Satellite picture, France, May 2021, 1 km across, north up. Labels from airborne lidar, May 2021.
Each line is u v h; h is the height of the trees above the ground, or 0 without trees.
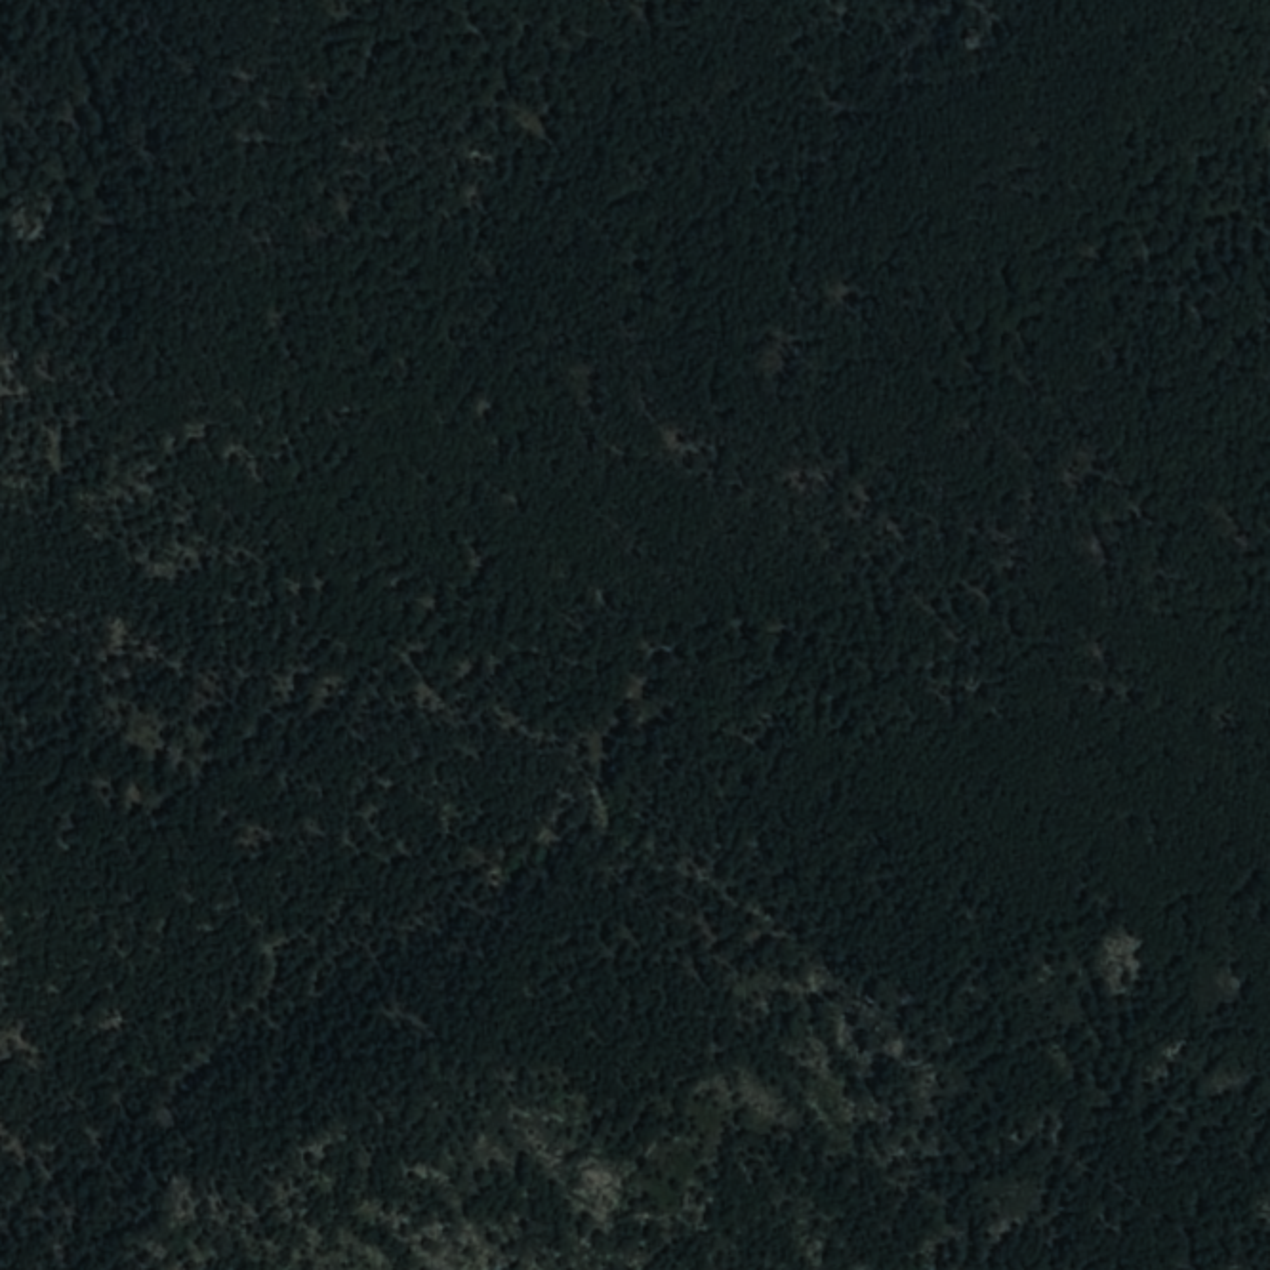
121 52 29
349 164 27
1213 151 31
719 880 23
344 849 24
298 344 26
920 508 25
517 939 23
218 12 20
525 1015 14
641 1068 15
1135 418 28
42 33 27
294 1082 18
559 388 26
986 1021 21
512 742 17
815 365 28
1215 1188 26
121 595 17
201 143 21
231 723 28
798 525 27
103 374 22
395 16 24
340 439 22
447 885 26
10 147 22
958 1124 19
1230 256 20
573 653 27
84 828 23
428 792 16
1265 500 33
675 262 24
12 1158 13
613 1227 7
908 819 33
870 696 29
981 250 24
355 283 30
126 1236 20
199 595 21
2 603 19
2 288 26
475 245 24
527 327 27
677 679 31
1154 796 29
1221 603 26
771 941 21
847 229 29
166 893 20
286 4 21
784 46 21
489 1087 17
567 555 25
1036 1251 27
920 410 29
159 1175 14
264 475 24
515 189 29
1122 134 24
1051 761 24
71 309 25
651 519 27
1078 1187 26
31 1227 23
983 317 31
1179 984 23
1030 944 24
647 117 25
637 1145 10
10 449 19
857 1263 16
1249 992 20
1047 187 26
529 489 26
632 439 24
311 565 31
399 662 24
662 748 29
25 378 18
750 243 25
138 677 17
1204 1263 18
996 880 22
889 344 26
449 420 19
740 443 27
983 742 29
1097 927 22
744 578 31
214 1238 26
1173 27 21
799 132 31
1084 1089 27
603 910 26
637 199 22
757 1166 20
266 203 21
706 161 32
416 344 31
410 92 30
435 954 26
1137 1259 28
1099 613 31
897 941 29
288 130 23
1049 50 24
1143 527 30
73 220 27
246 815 26
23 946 18
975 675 20
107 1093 28
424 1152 23
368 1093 20
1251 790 27
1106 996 25
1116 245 28
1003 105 26
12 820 21
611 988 23
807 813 30
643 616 27
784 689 31
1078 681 33
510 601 30
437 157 26
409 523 23
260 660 24
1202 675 26
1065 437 26
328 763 19
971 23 14
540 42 32
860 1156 12
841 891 31
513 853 19
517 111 6
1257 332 21
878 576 29
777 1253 12
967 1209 18
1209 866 28
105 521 11
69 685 19
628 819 19
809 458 24
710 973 26
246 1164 16
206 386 22
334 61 26
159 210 24
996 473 23
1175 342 21
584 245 27
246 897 25
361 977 25
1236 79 25
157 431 24
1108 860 25
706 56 27
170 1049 22
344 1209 16
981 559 26
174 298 26
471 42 33
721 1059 20
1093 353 28
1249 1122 19
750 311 31
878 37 25
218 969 15
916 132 22
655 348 26
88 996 15
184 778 24
